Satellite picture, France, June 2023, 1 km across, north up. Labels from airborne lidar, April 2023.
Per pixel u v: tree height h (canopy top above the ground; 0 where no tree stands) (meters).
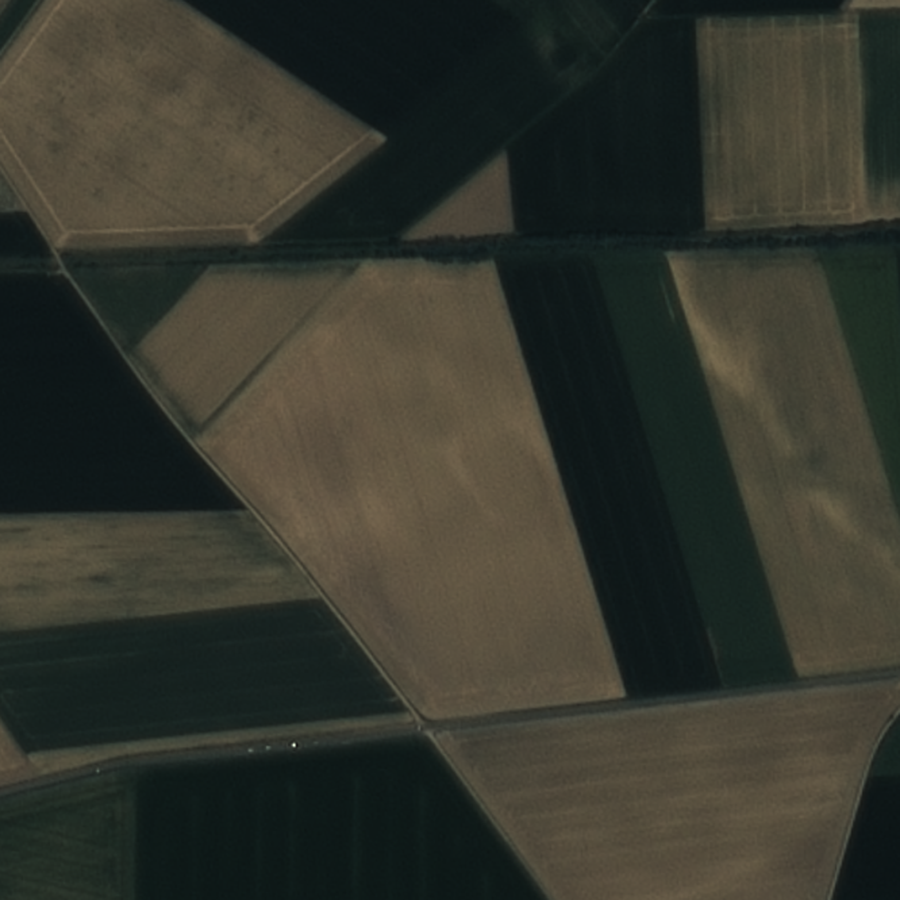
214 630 0
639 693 0
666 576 0
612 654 0
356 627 0
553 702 0
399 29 0
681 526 0
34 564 0
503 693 0
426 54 0
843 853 0
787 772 0
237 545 0
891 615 0
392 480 0
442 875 0
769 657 0
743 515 0
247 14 0
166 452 0
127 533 0
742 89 0
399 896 0
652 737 0
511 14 0
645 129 0
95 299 0
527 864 0
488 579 0
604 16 0
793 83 0
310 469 0
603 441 0
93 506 0
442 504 0
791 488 0
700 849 0
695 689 0
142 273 0
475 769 0
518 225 0
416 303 0
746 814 0
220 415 0
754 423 0
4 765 0
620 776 0
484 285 0
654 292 0
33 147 0
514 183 0
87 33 0
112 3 0
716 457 0
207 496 0
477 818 0
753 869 0
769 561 0
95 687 0
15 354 0
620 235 6
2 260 0
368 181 0
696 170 0
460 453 0
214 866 0
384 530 0
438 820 0
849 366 0
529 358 0
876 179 0
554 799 0
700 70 0
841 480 0
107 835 0
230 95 0
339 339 0
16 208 0
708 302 0
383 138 0
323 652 0
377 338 0
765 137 0
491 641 0
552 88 0
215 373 0
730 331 0
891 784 0
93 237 0
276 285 0
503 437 0
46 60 0
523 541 0
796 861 0
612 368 0
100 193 0
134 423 0
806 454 0
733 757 0
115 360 0
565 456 0
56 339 0
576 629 0
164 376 0
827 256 0
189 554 0
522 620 0
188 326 0
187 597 0
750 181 0
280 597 0
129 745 0
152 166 0
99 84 0
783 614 0
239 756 0
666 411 0
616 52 0
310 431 0
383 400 0
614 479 0
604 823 0
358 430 0
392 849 0
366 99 0
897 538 0
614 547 0
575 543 0
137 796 0
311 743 0
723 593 0
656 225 0
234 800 0
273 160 0
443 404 0
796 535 0
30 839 0
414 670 0
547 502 0
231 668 0
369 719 0
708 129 0
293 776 0
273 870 0
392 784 0
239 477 0
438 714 0
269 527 0
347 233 0
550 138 0
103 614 0
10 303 0
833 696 0
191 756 0
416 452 0
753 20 0
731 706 0
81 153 0
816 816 0
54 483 0
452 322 0
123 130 0
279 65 0
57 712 0
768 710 0
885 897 0
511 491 0
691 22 0
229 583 0
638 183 0
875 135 0
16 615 0
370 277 0
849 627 0
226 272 0
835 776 0
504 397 0
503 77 0
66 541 0
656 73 0
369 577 0
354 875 0
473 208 0
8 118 0
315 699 0
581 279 0
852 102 0
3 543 0
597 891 0
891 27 0
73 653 0
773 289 0
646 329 0
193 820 0
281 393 0
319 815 0
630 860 0
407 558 0
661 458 0
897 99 0
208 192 0
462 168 0
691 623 0
